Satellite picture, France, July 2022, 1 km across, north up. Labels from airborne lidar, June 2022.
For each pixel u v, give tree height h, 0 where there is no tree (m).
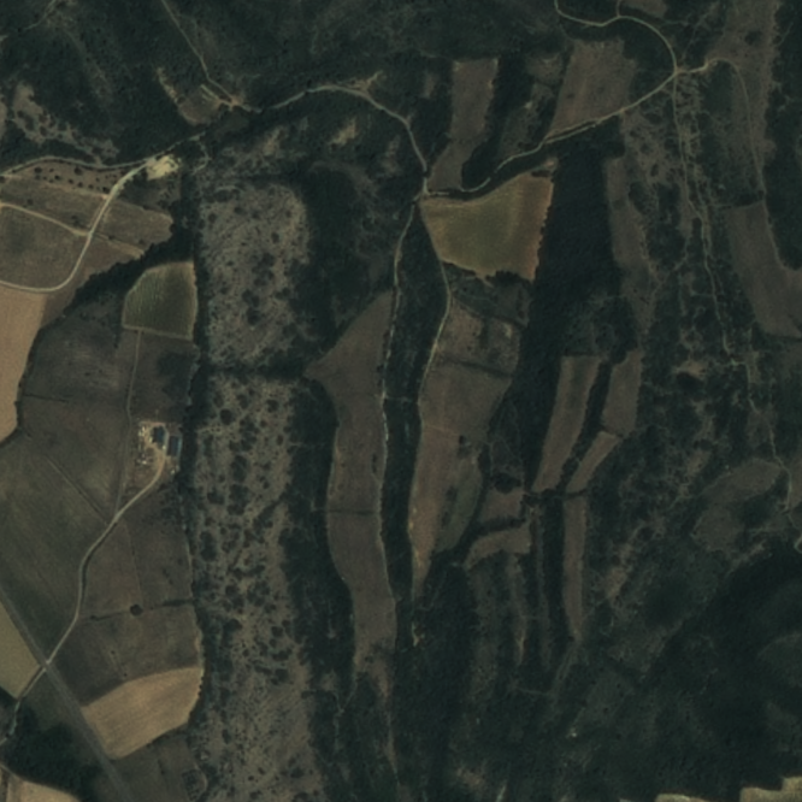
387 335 7
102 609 0
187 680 0
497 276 9
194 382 9
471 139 0
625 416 0
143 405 0
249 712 0
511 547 0
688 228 0
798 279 0
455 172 0
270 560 0
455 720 7
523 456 7
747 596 6
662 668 7
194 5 10
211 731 0
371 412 0
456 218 0
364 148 9
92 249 0
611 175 0
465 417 0
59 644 0
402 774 6
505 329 0
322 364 0
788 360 0
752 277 0
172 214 6
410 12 0
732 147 0
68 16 0
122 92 8
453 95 0
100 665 0
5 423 0
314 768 0
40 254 0
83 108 6
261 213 0
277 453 0
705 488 0
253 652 0
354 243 6
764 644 6
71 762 10
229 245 0
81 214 0
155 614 0
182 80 10
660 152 0
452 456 0
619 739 10
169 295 0
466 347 0
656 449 8
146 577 0
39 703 0
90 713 0
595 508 8
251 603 0
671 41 0
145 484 0
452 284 7
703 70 0
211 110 0
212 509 0
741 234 0
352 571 0
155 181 0
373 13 0
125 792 0
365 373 0
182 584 0
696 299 6
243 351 0
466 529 7
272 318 0
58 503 0
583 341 6
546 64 0
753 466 0
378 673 0
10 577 0
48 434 0
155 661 0
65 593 0
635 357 0
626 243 0
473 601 6
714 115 0
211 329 0
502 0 0
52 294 0
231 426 0
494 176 7
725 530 0
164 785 0
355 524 0
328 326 7
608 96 0
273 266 0
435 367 0
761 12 0
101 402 0
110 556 0
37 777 7
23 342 0
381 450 0
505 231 0
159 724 0
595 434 7
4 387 0
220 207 0
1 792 0
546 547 7
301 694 0
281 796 0
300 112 5
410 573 8
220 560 0
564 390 0
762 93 0
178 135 6
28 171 0
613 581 0
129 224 0
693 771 10
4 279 0
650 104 0
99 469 0
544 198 0
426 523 0
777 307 0
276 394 0
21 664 0
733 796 7
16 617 0
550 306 8
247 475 0
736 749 6
